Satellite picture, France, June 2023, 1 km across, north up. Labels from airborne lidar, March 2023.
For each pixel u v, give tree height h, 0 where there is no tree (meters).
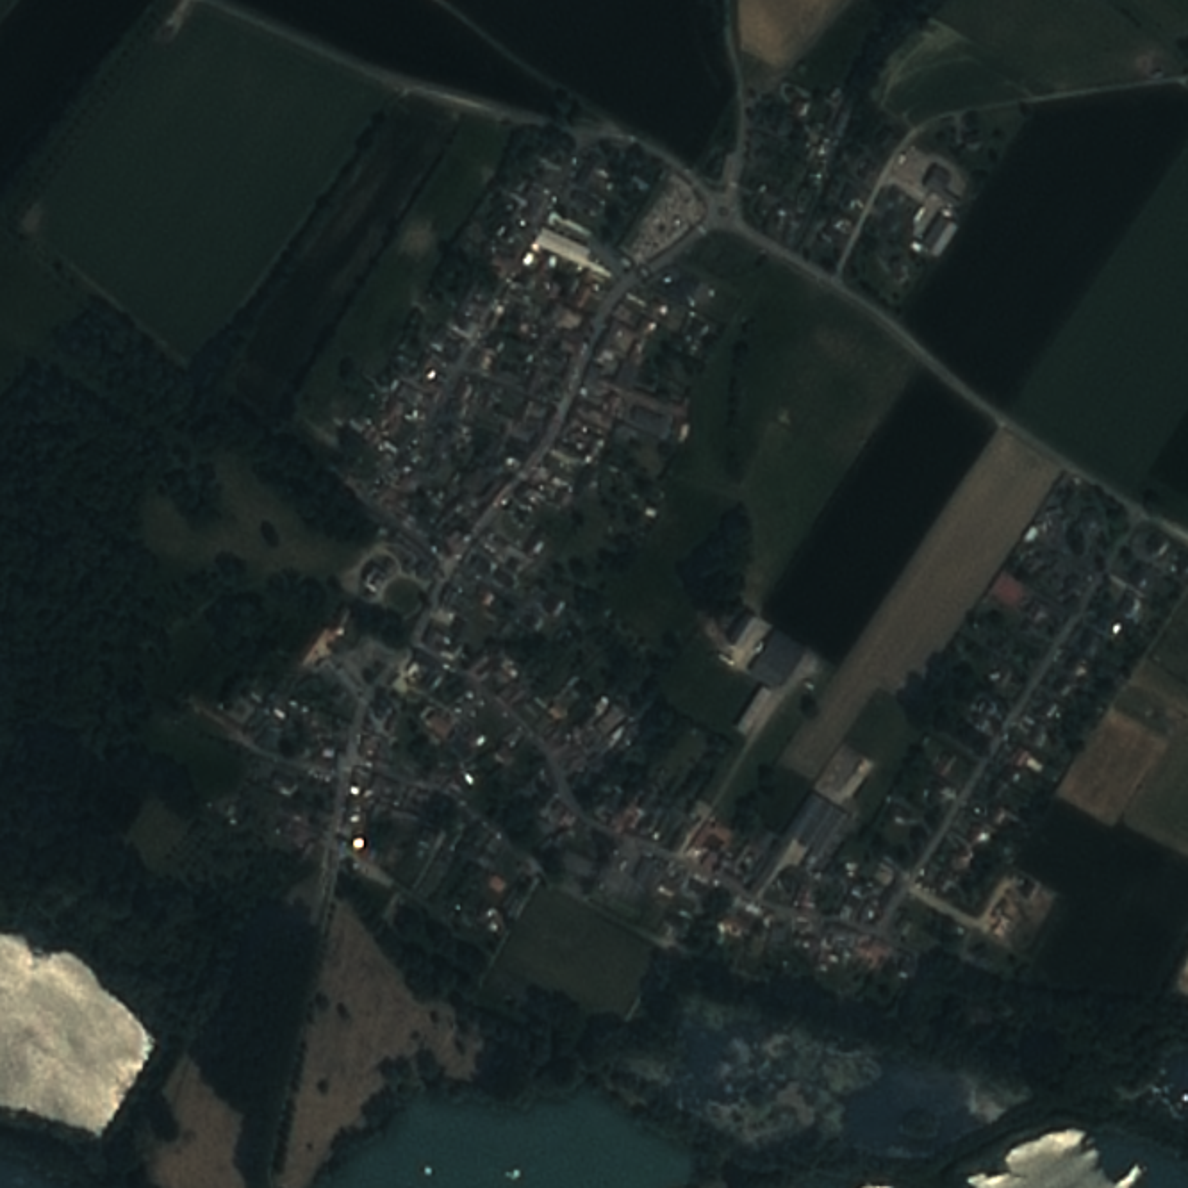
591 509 0
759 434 0
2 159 0
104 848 39
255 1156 32
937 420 0
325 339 12
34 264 0
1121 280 0
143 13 0
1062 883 0
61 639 20
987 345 0
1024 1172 0
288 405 18
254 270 0
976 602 0
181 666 0
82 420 30
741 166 0
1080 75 0
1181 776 0
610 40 0
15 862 18
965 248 0
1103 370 0
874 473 0
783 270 0
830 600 0
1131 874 0
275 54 0
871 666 0
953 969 14
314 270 0
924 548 0
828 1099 0
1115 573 0
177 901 23
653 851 0
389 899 0
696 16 0
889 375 0
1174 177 0
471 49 0
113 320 25
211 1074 28
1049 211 0
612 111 0
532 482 0
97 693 7
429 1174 0
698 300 0
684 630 0
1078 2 0
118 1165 22
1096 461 0
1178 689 0
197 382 28
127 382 26
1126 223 0
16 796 25
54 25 0
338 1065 0
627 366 0
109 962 15
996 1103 0
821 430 0
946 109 0
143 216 0
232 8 0
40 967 0
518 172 0
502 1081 31
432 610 0
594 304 0
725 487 0
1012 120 0
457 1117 0
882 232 0
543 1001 22
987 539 0
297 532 0
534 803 6
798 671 0
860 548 0
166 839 0
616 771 6
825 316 0
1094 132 0
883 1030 18
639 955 0
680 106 0
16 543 26
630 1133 0
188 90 0
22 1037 0
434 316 0
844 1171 9
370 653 0
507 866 0
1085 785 0
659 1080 0
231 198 0
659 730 19
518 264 0
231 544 0
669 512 0
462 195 0
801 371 0
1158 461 0
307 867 0
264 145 0
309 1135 0
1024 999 20
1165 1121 7
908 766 9
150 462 21
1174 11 0
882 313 0
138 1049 0
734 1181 27
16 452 12
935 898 0
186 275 0
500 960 0
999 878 0
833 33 0
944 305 0
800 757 0
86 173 0
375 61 0
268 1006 39
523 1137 0
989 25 0
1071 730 7
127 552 25
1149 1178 0
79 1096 0
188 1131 0
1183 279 0
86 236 0
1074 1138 0
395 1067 14
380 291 0
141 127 0
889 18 12
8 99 0
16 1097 0
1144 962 0
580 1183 0
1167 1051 7
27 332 0
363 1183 0
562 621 0
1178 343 0
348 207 0
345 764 0
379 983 0
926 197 0
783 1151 9
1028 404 0
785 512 0
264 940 35
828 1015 29
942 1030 24
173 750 0
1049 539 0
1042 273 0
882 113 0
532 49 0
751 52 0
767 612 0
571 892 0
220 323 0
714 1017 0
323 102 0
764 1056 0
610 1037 25
